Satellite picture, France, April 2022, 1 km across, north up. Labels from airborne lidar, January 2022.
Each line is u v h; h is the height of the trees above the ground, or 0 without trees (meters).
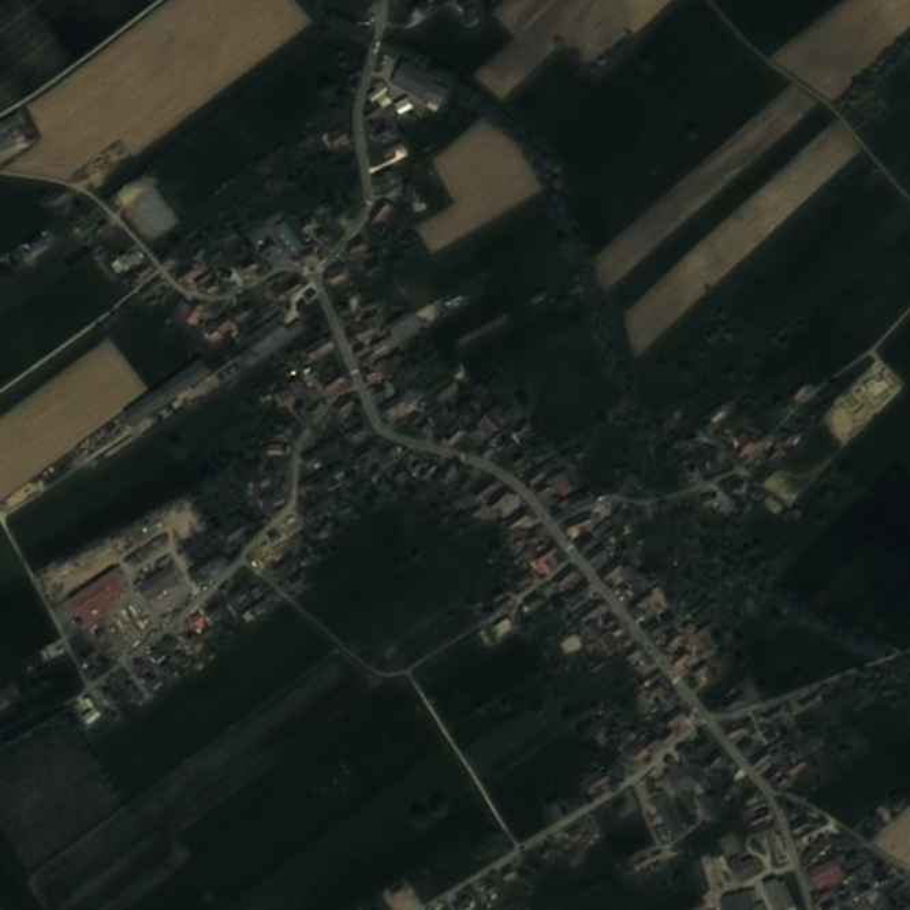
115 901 0
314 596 0
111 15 0
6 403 0
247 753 0
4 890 0
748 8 0
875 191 0
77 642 0
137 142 0
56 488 0
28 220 0
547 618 9
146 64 0
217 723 0
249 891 0
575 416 0
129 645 0
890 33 0
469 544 0
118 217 0
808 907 0
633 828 0
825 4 0
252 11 0
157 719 0
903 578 0
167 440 0
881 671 9
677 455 10
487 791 0
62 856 0
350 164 8
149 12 0
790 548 11
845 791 0
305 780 0
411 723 0
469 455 0
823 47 0
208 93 0
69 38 0
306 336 0
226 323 0
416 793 0
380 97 0
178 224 0
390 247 0
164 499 0
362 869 0
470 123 0
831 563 0
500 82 0
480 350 0
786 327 6
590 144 0
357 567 0
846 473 15
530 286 0
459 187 0
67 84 0
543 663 0
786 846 0
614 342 9
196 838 0
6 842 13
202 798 0
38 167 0
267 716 0
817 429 0
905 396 0
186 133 0
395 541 0
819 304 0
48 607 0
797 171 0
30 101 0
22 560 0
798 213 0
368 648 0
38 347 0
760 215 0
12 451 0
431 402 7
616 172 0
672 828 0
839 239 0
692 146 0
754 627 0
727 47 0
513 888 0
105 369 0
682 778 0
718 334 6
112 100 0
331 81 15
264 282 6
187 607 0
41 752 0
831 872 0
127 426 0
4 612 0
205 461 0
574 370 0
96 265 0
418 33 0
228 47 0
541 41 0
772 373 0
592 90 0
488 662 0
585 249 15
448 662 0
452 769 0
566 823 0
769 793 0
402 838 0
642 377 0
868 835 12
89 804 0
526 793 0
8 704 0
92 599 0
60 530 0
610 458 0
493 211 0
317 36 0
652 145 0
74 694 0
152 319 0
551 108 0
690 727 0
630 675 0
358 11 0
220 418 0
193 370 0
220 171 0
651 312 0
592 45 0
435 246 0
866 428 0
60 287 0
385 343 0
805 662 0
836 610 0
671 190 0
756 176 0
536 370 0
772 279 0
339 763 0
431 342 9
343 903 0
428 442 0
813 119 0
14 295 0
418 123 0
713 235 0
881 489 0
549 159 8
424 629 0
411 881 0
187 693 0
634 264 0
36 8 0
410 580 0
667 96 0
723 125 0
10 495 0
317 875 0
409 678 0
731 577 14
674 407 0
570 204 17
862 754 0
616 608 0
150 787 0
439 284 0
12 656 0
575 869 0
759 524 0
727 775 10
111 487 0
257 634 0
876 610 0
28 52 0
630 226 0
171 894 0
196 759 0
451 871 0
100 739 0
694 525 15
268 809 0
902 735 0
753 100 0
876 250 0
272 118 0
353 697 0
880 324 0
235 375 0
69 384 0
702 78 0
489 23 0
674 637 0
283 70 0
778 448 0
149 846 0
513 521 0
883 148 0
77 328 0
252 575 0
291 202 0
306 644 0
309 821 0
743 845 0
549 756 0
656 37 0
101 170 0
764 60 0
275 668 0
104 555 0
